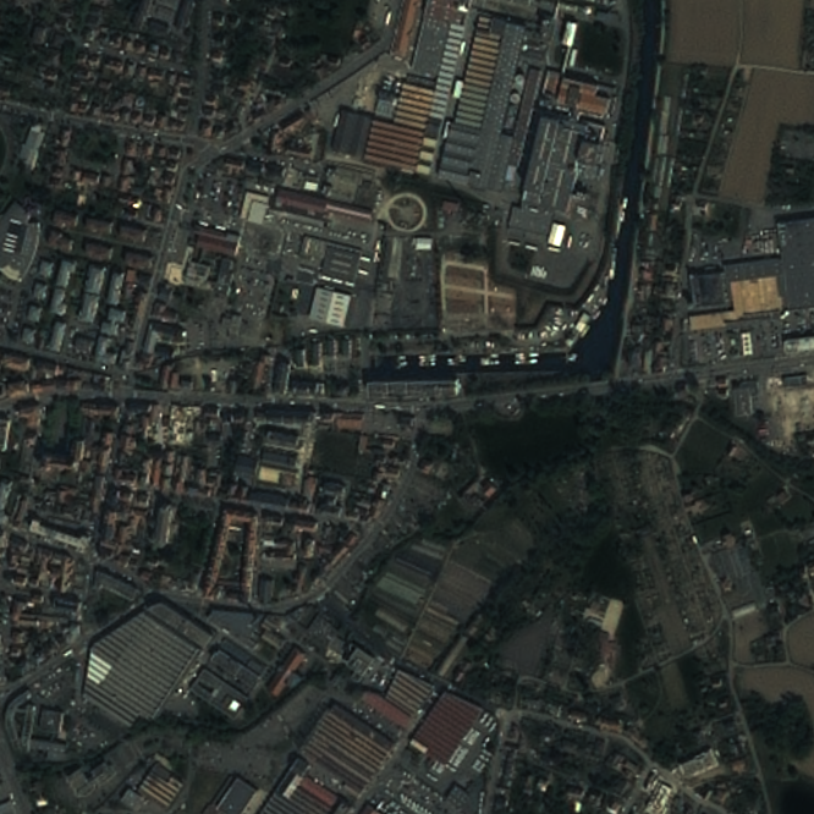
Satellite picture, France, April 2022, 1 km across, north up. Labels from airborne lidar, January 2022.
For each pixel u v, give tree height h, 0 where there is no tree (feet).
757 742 0
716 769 0
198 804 0
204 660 0
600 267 27
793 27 0
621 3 0
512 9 0
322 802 0
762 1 0
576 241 0
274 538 0
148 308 0
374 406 0
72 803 0
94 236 0
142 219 0
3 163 0
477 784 0
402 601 0
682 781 0
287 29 38
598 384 0
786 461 46
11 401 0
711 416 28
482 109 0
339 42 0
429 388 0
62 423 0
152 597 0
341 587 0
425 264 0
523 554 0
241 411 47
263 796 0
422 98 0
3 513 0
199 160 0
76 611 0
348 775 0
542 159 0
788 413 0
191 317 0
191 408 0
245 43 50
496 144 0
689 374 0
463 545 0
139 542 0
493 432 0
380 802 0
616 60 0
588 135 0
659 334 22
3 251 0
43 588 0
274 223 0
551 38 0
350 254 0
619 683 0
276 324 0
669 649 0
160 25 0
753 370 0
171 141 0
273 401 0
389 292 0
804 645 0
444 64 0
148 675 0
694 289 0
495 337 20
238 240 0
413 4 0
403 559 0
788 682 0
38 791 25
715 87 0
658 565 0
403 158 0
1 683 0
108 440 0
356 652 0
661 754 19
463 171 0
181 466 0
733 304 0
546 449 0
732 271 0
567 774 0
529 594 37
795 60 0
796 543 0
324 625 0
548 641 0
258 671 0
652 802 0
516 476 75
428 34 0
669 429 39
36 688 0
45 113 0
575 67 0
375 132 0
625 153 34
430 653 0
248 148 0
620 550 38
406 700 0
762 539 0
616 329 0
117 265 0
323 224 0
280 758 0
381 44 0
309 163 0
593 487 52
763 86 0
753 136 0
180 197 0
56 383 0
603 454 37
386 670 0
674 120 0
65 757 0
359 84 0
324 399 0
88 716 0
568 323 0
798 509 0
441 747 0
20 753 0
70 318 0
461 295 0
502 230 0
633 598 0
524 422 0
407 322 0
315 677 32
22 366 0
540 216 0
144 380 38
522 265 0
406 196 0
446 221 0
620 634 0
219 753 0
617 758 0
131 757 0
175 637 0
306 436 0
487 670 20
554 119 0
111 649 0
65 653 0
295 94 33
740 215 0
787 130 0
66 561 0
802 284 0
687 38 0
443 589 0
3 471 0
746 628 0
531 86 0
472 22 0
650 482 0
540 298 0
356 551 0
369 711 0
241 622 0
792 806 0
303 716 0
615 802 0
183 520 37
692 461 0
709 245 0
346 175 0
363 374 0
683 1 0
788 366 0
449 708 0
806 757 45
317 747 0
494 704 0
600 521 68
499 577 0
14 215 0
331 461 0
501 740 0
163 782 0
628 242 0
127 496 0
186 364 0
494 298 0
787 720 62
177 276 0
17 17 37
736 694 0
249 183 0
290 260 0
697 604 0
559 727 29
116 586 0
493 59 0
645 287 0
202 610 0
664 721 0
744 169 0
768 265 0
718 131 0
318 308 0
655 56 0
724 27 0
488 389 33
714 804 0
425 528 56
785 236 0
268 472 0
